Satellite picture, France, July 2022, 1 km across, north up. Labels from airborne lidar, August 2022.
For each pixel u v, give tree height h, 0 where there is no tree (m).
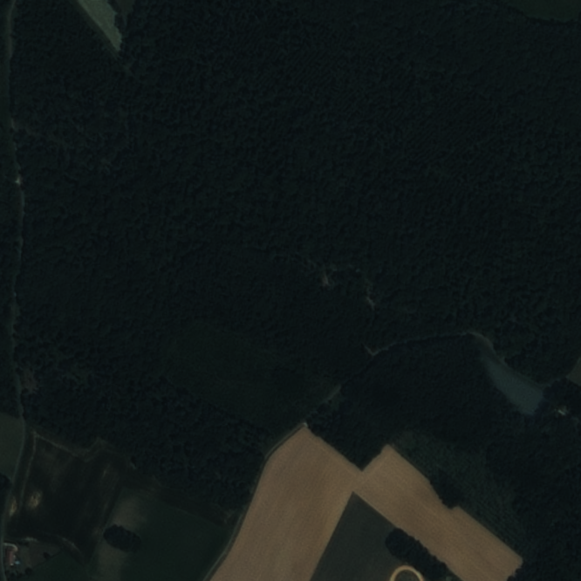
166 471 25
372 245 20
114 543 17
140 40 24
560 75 20
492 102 9
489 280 18
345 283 23
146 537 0
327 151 20
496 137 6
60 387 23
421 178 16
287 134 11
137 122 26
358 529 0
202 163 18
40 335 19
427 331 21
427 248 17
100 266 27
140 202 21
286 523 0
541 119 19
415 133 10
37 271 17
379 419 20
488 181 10
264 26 7
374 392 19
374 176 10
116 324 17
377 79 20
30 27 12
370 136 8
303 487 0
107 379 20
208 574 0
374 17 25
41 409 20
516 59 21
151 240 25
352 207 24
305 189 20
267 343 21
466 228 11
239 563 0
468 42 23
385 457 0
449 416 26
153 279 24
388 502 0
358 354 19
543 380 21
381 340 14
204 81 21
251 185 14
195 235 11
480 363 21
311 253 18
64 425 23
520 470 23
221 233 14
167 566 0
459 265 17
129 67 0
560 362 22
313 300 16
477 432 24
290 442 0
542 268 11
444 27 23
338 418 20
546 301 14
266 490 0
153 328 17
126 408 9
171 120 14
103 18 0
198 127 17
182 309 17
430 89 6
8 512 0
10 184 17
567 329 24
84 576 0
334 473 0
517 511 9
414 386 17
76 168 20
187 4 7
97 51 11
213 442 22
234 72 7
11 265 23
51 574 0
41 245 24
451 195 18
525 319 20
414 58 22
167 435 12
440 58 23
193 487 24
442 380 17
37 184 21
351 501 0
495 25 20
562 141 18
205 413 18
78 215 23
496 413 20
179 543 0
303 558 0
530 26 23
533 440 21
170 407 23
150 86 10
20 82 20
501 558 0
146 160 11
